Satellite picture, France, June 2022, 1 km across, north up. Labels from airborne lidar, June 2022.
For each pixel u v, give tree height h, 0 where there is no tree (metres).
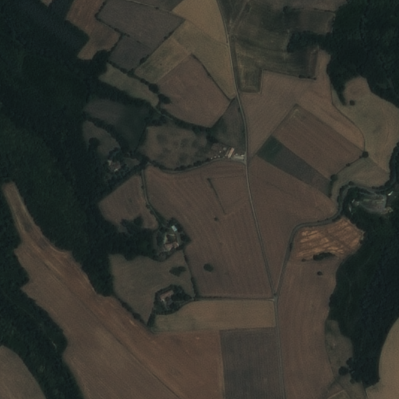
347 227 0
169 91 0
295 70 0
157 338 0
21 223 0
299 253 0
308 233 0
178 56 0
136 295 0
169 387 0
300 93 0
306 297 0
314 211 0
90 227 24
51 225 19
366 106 0
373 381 19
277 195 0
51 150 24
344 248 0
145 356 0
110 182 16
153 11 0
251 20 0
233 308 0
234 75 0
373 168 0
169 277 0
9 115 26
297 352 0
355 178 0
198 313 0
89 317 0
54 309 0
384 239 17
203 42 0
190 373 0
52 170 23
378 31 22
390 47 23
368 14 24
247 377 0
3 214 19
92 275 17
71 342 0
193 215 0
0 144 17
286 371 0
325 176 0
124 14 0
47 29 22
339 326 6
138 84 0
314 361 0
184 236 9
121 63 0
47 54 25
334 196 0
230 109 0
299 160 0
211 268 14
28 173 11
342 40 19
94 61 8
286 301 0
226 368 0
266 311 0
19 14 21
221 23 0
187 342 0
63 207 16
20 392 0
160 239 12
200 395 0
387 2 16
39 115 23
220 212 0
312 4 0
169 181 0
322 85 0
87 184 17
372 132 0
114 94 20
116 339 0
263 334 0
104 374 0
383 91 19
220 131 0
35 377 9
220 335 0
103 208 0
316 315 0
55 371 21
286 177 0
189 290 0
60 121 20
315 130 0
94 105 0
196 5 0
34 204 15
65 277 0
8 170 15
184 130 0
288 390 0
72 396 17
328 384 0
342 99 11
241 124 0
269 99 0
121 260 0
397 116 0
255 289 0
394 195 0
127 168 11
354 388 0
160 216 7
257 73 0
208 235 0
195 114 0
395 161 16
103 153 0
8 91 20
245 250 0
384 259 31
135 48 0
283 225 0
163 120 25
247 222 0
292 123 0
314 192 0
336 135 0
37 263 0
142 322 7
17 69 19
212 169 0
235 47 0
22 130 24
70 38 19
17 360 0
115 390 0
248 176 0
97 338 0
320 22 0
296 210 0
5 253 19
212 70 0
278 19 0
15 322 29
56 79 5
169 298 10
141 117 0
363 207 0
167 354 0
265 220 0
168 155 0
